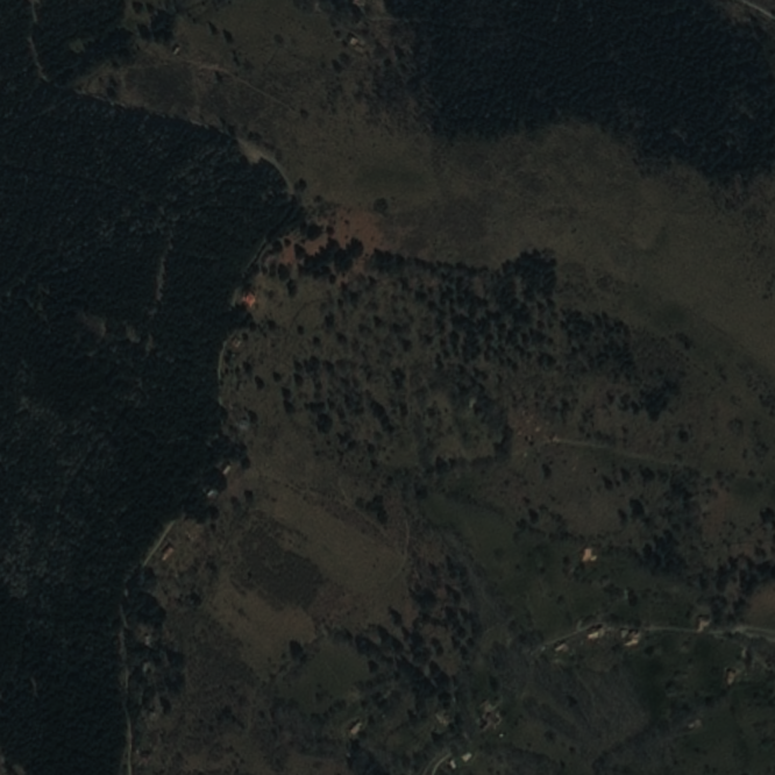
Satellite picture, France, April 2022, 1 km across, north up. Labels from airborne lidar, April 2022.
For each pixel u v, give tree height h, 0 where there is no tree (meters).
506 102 18
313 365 15
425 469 12
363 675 0
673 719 10
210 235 20
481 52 28
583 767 0
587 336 13
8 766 11
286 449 0
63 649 25
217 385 33
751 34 11
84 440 23
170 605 6
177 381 30
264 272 11
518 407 13
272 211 21
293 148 0
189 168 22
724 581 24
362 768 21
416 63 13
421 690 24
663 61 29
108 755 30
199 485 11
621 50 23
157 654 14
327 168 0
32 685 26
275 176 18
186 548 0
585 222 0
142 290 25
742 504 0
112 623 23
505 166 0
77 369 30
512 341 14
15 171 14
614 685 22
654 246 0
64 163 20
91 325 16
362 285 20
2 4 24
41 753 25
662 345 6
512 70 23
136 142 23
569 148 0
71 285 17
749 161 22
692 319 0
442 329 21
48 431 25
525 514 0
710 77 28
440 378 7
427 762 21
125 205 19
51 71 25
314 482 8
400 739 0
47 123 21
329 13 15
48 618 25
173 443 29
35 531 23
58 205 18
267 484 0
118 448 26
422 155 0
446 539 18
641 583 0
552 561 0
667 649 0
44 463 27
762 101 24
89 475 27
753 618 0
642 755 26
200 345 28
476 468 15
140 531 27
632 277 0
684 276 0
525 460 0
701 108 25
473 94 24
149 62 0
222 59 0
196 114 0
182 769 6
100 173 20
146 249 23
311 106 0
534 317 10
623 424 0
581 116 16
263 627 0
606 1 30
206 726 8
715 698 7
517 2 28
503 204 0
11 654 25
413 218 0
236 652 8
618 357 15
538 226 0
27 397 21
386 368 17
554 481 0
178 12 10
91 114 22
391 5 18
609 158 0
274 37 0
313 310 0
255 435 0
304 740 16
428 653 7
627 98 25
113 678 35
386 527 7
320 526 0
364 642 21
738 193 16
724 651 0
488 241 0
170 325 27
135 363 25
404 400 7
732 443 0
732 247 0
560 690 23
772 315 0
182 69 0
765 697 7
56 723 29
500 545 0
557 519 14
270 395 0
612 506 0
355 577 0
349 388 17
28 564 23
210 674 8
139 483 31
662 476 10
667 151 24
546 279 15
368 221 0
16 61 23
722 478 15
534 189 0
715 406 0
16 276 19
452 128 17
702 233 0
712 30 22
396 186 0
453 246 0
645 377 7
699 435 0
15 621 24
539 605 0
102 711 33
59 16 26
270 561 6
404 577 0
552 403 9
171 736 6
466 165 0
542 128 8
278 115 0
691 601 0
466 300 11
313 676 0
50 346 18
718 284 0
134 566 27
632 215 0
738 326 0
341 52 0
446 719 0
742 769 0
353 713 0
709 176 15
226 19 0
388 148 0
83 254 20
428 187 0
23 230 19
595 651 0
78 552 27
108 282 23
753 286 0
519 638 15
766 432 0
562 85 24
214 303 21
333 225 10
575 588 0
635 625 11
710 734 0
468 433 15
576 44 26
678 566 27
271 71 0
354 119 0
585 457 0
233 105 0
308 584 6
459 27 22
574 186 0
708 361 0
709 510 0
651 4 31
